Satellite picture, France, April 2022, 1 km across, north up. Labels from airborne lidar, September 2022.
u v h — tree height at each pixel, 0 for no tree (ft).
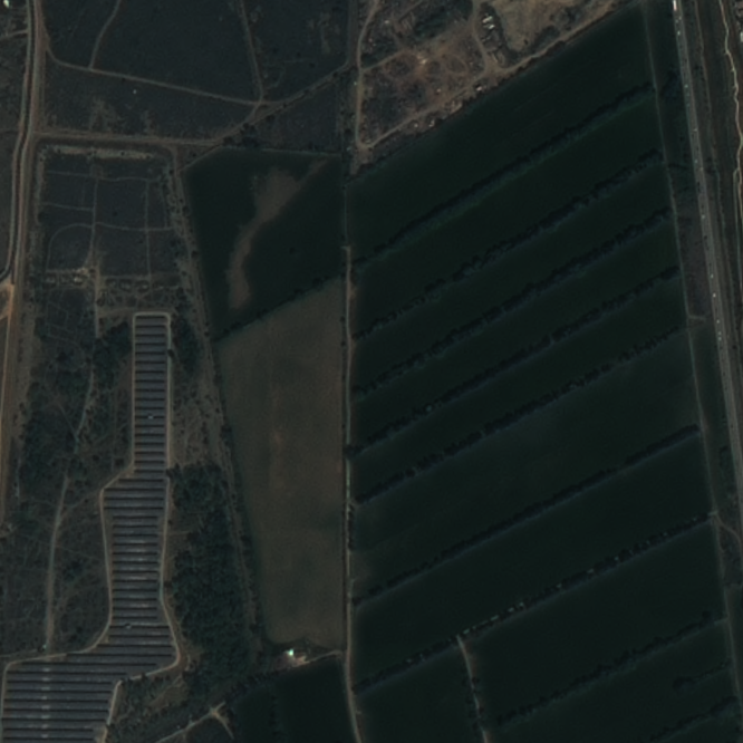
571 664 0
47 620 0
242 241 0
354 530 35
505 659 0
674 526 0
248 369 0
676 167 31
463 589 0
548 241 0
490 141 0
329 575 0
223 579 30
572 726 0
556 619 0
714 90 0
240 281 0
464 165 0
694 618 0
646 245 0
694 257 0
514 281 0
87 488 20
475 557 0
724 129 0
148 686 41
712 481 0
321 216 0
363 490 0
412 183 0
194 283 0
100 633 0
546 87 0
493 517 0
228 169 0
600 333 0
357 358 0
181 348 62
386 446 0
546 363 0
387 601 0
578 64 0
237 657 55
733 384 0
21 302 0
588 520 0
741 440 0
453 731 0
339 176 0
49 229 0
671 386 0
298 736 0
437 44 0
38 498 22
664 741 27
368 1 0
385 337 0
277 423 0
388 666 0
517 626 0
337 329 0
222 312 0
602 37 0
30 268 0
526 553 0
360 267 36
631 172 25
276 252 0
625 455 0
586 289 0
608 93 0
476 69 0
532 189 0
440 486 0
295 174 0
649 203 0
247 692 74
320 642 0
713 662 0
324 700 0
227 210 0
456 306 0
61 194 0
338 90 0
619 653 0
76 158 0
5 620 0
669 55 0
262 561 0
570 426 0
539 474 0
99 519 0
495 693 0
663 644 40
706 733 0
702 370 0
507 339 0
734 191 0
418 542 0
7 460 0
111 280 0
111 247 0
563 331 33
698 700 0
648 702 0
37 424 41
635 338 0
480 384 51
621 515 0
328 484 0
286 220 0
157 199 0
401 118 0
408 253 0
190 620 42
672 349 0
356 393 41
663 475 0
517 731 0
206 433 20
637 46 0
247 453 0
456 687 0
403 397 0
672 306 0
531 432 0
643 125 0
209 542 44
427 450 0
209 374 0
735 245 0
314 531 0
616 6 23
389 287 0
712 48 0
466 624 0
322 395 0
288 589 0
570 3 0
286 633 0
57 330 0
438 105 0
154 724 30
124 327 31
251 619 0
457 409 0
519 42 0
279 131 0
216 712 0
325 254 0
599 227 0
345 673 0
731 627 0
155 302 0
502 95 0
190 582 43
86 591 0
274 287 0
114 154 0
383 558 0
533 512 46
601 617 0
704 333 0
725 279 0
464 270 30
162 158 0
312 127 0
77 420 18
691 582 0
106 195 0
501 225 0
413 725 0
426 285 0
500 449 0
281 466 0
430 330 0
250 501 0
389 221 0
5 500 0
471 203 49
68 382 39
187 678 39
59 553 0
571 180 0
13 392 0
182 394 0
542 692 0
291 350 0
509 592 0
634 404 0
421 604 0
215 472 39
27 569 0
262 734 0
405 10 0
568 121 0
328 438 0
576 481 0
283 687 0
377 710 0
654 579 0
